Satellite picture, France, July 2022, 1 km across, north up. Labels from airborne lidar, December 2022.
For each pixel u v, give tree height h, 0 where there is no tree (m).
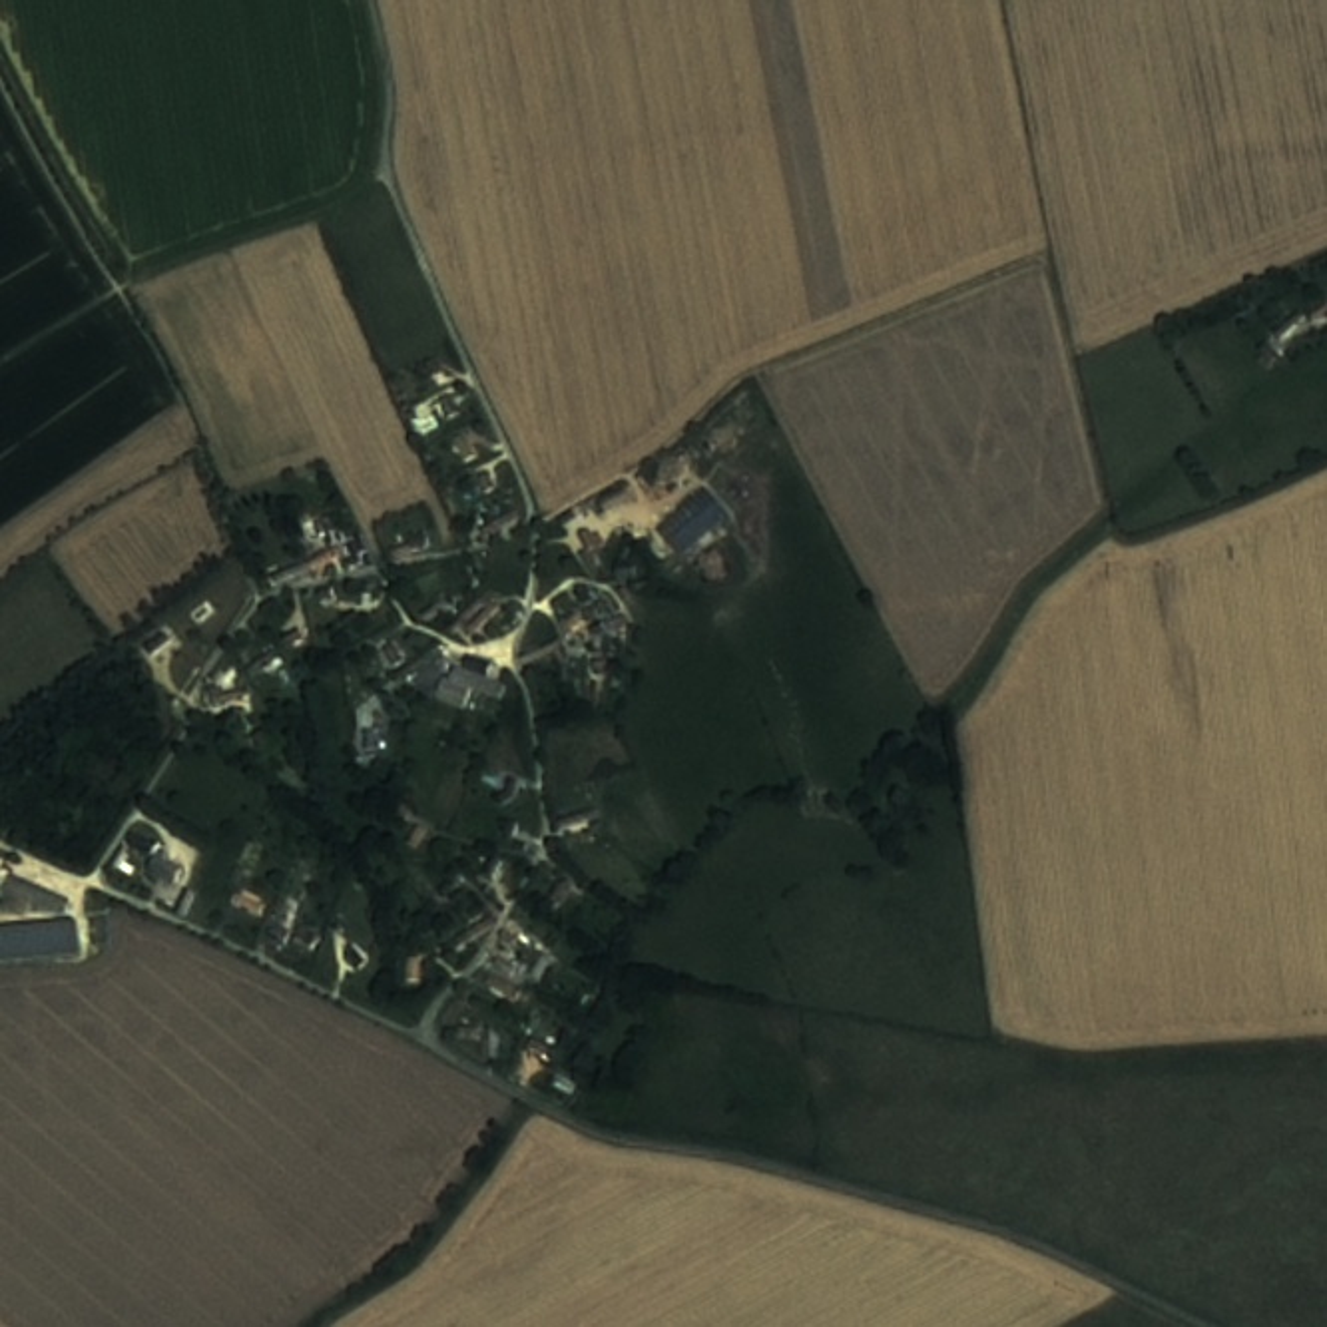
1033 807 0
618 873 0
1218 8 0
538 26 0
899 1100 0
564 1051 15
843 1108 0
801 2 0
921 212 0
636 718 0
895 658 0
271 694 0
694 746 0
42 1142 0
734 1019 0
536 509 0
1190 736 0
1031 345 0
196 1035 0
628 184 0
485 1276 0
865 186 0
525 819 0
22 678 0
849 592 0
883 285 0
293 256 0
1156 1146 0
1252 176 0
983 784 0
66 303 0
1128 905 0
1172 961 0
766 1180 0
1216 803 0
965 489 0
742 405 0
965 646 0
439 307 0
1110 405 0
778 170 0
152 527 0
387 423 0
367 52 0
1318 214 0
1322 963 0
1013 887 0
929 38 0
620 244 0
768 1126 0
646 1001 14
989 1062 0
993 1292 0
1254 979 0
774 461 0
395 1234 0
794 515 0
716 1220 0
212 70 0
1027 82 0
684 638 0
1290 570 0
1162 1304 0
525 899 9
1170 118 0
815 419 0
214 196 0
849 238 0
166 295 0
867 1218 0
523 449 0
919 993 0
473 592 8
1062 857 0
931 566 0
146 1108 0
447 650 0
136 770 30
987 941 0
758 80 0
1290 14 0
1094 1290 0
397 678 8
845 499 0
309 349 0
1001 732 0
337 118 0
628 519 0
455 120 0
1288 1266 0
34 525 0
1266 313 12
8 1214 0
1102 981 0
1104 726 0
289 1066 0
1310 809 0
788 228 0
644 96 0
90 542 0
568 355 0
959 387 0
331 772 11
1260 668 0
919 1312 0
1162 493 0
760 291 0
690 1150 0
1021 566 0
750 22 0
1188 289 0
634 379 0
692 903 0
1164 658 0
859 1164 0
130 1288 0
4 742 17
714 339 0
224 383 0
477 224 0
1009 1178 0
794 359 0
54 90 0
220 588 0
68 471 0
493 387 0
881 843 13
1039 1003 0
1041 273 0
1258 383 0
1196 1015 0
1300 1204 0
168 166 0
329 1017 0
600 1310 0
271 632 9
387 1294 0
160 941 0
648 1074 0
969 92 0
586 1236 0
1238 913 0
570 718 8
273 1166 0
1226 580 0
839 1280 0
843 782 0
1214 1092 0
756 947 0
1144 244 0
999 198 0
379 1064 0
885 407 0
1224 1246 0
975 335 0
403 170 0
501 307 0
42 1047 0
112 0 0
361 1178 0
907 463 0
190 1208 0
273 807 12
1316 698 0
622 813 0
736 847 0
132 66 0
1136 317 0
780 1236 0
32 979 0
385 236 0
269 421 0
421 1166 0
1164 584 0
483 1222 0
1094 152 0
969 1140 0
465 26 0
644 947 0
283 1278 0
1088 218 0
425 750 0
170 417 0
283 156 0
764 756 0
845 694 0
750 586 0
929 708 6
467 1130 0
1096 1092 0
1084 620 0
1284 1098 0
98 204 0
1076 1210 0
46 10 0
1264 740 0
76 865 12
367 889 11
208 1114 0
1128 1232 0
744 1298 0
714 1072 0
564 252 0
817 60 0
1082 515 0
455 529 9
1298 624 0
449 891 6
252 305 0
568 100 0
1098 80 0
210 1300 0
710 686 0
